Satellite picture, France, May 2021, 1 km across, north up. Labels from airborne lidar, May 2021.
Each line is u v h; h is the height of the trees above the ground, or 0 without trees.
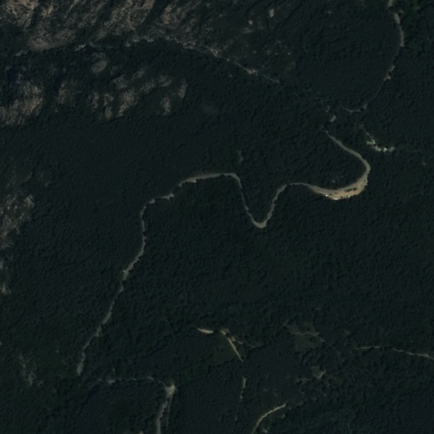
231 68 6
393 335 19
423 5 11
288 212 18
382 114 18
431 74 24
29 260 17
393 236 13
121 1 24
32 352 10
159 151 20
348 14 22
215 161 10
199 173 8
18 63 5
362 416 18
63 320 19
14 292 17
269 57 12
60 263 19
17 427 13
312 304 25
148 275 20
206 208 10
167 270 13
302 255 12
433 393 21
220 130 24
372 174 14
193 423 19
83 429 26
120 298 17
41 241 21
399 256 14
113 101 5
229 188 14
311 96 27
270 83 28
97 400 24
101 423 23
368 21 25
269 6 16
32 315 22
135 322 25
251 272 18
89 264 26
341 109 20
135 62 7
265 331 17
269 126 15
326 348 23
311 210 23
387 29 23
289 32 17
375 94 24
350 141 17
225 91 20
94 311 32
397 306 25
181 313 22
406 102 20
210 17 12
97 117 6
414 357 12
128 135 23
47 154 26
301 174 21
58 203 22
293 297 14
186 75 20
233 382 19
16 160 14
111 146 22
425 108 22
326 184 17
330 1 15
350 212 14
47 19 8
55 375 15
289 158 22
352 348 17
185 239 9
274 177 23
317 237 17
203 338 20
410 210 13
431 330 11
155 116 21
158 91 17
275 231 19
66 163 24
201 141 27
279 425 22
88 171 25
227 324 17
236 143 8
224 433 17
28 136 23
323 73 25
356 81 24
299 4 7
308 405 24
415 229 7
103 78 9
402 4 19
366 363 25
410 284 14
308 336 0
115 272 28
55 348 15
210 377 17
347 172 19
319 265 23
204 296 24
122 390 22
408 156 21
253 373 22
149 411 13
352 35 23
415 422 23
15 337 22
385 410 20
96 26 9
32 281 27
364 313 23
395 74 14
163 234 22
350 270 16
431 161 21
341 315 24
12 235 8
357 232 9
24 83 9
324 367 17
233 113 17
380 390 15
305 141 9
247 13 14
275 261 8
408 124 26
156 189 21
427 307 19
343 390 21
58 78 10
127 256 21
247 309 20
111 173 22
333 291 30
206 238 20
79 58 12
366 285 6
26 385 12
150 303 12
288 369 22
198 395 22
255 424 6
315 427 22
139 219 26
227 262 14
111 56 9
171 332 12
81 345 21
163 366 24
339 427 20
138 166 14
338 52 15
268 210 17
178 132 22
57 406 19
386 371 16
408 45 19
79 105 15
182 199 10
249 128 15
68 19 17
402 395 25
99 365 21
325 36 25
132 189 22
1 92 12
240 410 15
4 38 27
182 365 18
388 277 18
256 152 23
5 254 17
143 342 19
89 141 23
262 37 13
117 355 20
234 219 16
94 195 23
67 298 32
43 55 16
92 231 16
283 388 17
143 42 13
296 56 6
